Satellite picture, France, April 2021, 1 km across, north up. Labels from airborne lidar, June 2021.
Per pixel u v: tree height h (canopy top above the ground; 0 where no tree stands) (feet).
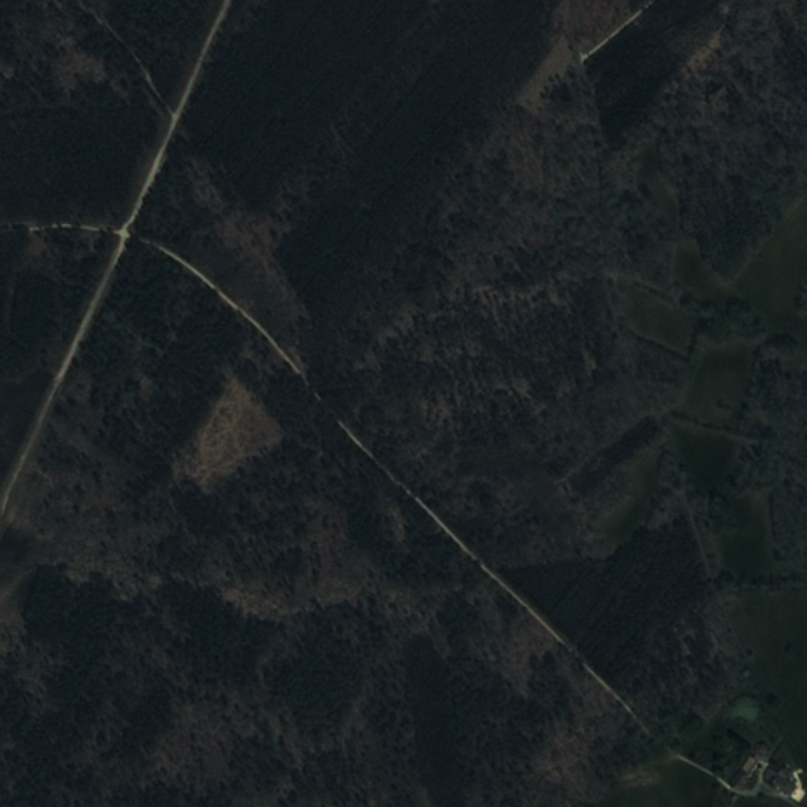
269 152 48
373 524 51
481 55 47
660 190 0
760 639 0
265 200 45
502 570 20
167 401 37
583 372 70
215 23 0
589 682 41
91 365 54
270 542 49
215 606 47
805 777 0
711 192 57
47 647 46
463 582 41
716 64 24
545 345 73
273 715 45
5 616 0
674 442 0
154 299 44
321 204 40
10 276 63
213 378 39
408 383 67
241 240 22
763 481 55
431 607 51
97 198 49
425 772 22
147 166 0
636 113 37
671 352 26
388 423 83
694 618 46
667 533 49
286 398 68
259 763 33
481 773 59
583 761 41
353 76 47
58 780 54
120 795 31
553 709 38
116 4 51
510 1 48
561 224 32
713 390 0
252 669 49
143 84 40
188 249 39
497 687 53
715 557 30
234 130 47
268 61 41
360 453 48
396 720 48
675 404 42
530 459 24
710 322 45
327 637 72
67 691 49
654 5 33
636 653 55
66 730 47
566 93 39
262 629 55
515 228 41
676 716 77
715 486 0
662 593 56
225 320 51
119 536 56
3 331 65
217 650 60
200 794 55
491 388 63
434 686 31
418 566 54
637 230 71
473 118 47
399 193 42
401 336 52
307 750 35
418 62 47
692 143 41
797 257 0
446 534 32
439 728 29
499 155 36
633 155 47
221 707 39
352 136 37
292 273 42
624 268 58
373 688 40
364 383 54
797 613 0
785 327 0
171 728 43
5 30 48
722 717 0
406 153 38
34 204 47
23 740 62
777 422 60
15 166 52
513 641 40
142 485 43
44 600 48
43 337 51
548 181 48
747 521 0
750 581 57
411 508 33
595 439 49
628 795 0
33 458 0
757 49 45
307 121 46
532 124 37
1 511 0
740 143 44
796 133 62
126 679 48
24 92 33
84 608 56
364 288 38
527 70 44
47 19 61
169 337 36
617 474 52
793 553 64
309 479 49
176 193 28
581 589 41
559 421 52
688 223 64
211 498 24
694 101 63
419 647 24
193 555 36
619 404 54
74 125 49
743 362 0
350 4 43
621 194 62
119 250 0
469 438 59
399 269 29
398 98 46
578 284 51
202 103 45
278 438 0
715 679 52
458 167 43
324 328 38
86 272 31
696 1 30
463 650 72
